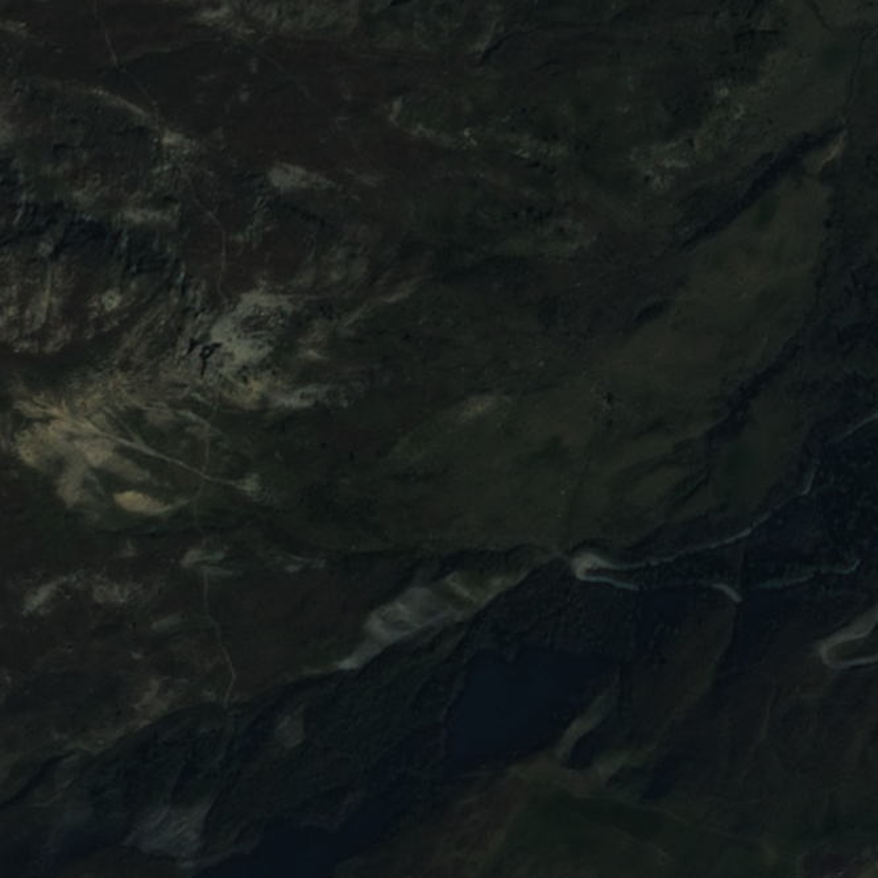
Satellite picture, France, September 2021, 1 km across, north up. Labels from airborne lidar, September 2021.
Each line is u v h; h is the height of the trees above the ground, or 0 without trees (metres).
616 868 0
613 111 0
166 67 0
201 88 0
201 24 0
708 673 0
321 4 0
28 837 0
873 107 0
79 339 0
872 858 0
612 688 0
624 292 0
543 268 0
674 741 0
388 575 0
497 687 0
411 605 0
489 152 0
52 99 0
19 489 0
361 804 0
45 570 0
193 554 0
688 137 13
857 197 0
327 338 0
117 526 0
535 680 0
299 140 0
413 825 0
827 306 0
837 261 0
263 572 0
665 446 0
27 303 0
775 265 0
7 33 0
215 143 0
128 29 0
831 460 8
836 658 0
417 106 0
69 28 0
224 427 0
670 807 0
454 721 0
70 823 0
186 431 0
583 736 0
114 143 0
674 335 0
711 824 0
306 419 0
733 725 0
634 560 0
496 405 0
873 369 0
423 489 0
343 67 0
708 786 0
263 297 0
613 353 0
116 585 0
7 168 0
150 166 0
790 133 0
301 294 0
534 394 0
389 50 0
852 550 7
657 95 0
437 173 0
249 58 0
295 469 0
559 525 0
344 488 0
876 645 0
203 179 0
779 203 0
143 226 0
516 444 0
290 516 0
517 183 0
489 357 0
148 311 0
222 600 0
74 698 0
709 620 0
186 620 0
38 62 0
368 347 0
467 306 0
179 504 0
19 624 0
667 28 0
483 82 0
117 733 0
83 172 0
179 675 0
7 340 0
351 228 0
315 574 0
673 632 8
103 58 0
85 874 0
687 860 0
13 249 0
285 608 0
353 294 0
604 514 0
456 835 0
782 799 0
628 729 0
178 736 0
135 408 0
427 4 0
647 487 0
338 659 0
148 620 0
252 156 0
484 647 0
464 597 0
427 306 0
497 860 0
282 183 0
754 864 0
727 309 0
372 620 0
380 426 0
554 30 0
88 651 0
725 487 0
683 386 0
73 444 0
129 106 0
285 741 0
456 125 0
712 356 0
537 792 0
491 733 0
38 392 0
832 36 0
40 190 0
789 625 0
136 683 0
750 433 0
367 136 0
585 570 0
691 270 0
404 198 0
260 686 0
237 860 0
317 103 0
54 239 0
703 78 0
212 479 0
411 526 0
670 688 0
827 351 0
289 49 0
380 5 0
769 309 0
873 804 0
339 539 0
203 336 0
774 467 0
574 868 0
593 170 0
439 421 0
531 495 0
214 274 0
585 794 0
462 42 0
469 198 0
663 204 0
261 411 0
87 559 0
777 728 0
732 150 0
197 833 0
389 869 0
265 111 0
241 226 0
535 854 0
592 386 0
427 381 0
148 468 0
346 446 0
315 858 0
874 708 0
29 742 0
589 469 0
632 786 0
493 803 0
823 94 0
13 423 0
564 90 0
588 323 0
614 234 0
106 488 0
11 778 0
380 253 0
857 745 0
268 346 0
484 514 0
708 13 0
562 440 0
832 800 0
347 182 0
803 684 0
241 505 0
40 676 0
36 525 0
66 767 0
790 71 0
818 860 0
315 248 0
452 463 0
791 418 0
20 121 0
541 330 0
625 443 0
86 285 0
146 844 0
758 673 0
